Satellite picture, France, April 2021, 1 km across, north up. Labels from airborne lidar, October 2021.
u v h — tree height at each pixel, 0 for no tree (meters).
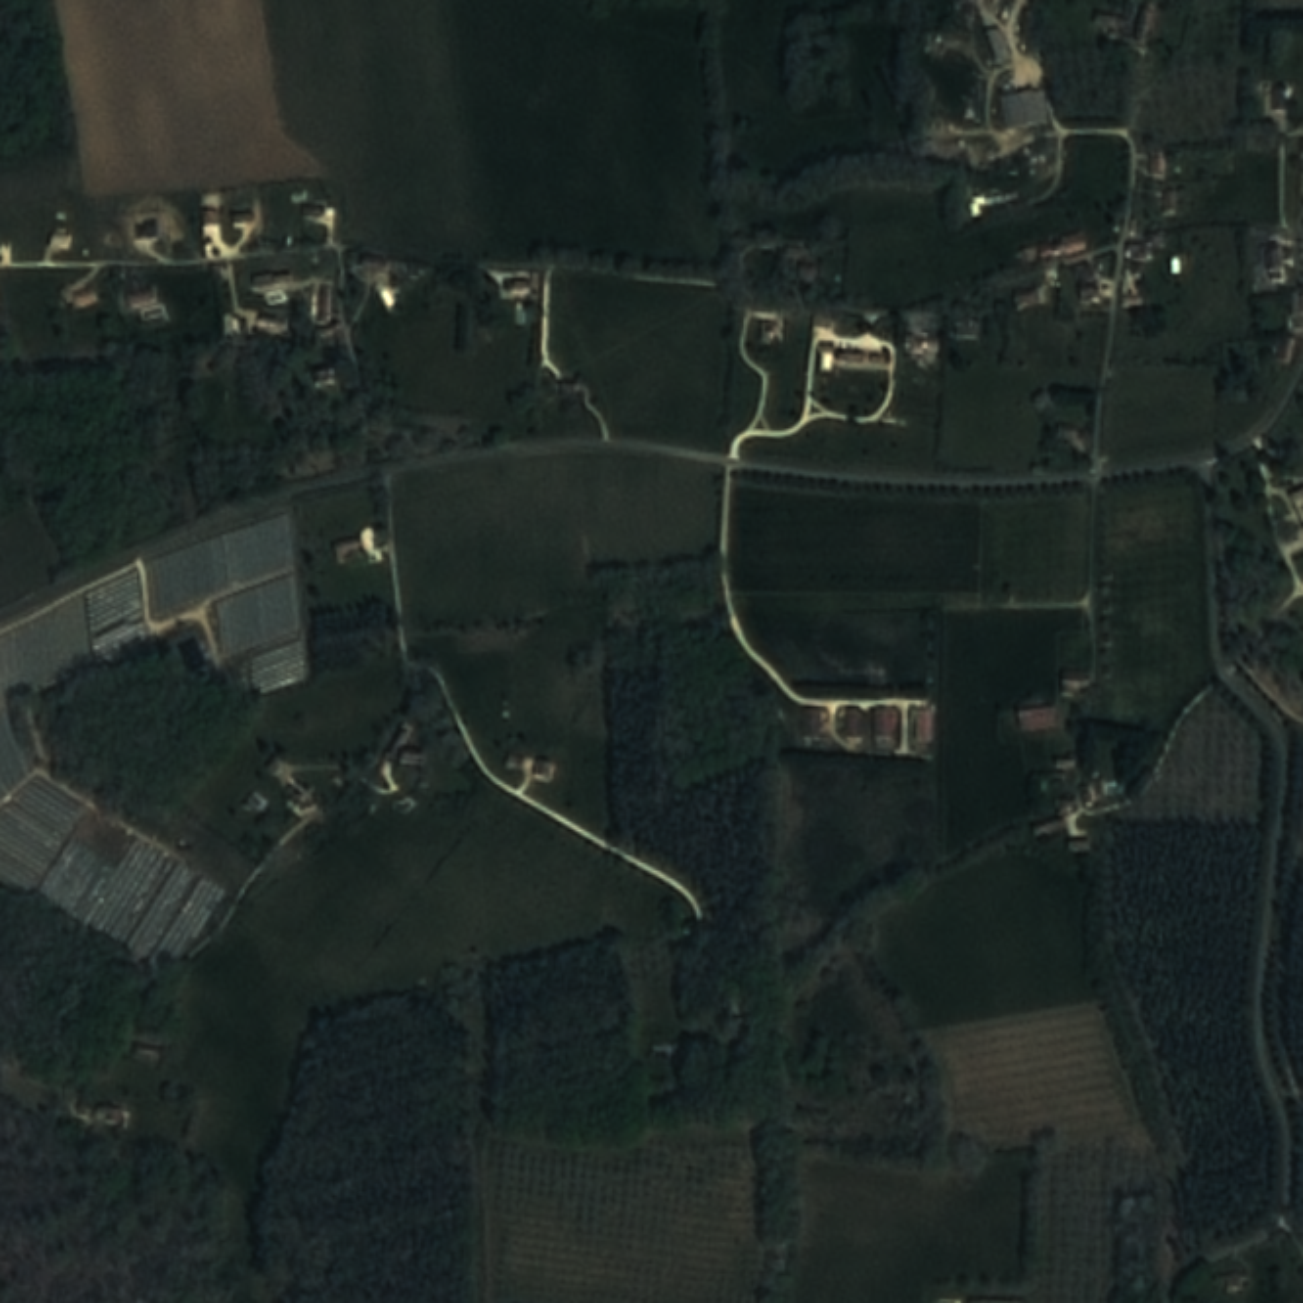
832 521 0
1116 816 15
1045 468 9
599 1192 6
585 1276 5
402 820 0
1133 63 8
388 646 16
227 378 6
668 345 0
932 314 9
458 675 0
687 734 18
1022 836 8
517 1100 20
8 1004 21
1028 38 16
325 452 20
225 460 12
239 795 0
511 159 0
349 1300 18
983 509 0
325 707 0
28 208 0
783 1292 13
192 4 0
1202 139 11
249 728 22
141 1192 22
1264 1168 18
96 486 27
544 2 0
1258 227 8
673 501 0
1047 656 0
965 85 0
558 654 0
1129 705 8
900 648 0
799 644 0
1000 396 0
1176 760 10
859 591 0
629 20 0
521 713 0
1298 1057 18
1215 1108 17
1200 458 0
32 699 19
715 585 19
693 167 0
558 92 0
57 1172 12
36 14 23
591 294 0
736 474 7
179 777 25
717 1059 22
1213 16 8
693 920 7
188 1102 17
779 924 10
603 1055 22
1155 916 17
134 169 0
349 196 0
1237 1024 17
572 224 0
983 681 0
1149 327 14
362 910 0
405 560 0
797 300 14
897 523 0
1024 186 0
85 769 18
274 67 0
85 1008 22
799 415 7
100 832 0
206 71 0
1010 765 0
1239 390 7
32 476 23
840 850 0
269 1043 0
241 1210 0
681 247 0
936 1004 0
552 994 21
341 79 0
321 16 0
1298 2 0
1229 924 19
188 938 0
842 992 8
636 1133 21
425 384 0
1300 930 18
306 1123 15
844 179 19
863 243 0
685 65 0
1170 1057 15
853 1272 0
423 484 0
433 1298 12
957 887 0
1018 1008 0
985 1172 15
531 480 0
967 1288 12
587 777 0
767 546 0
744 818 18
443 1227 18
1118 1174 8
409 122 0
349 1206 17
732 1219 0
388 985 0
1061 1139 13
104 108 0
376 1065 19
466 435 10
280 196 0
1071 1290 8
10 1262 7
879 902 20
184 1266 17
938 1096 19
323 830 10
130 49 0
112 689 26
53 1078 20
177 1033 18
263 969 0
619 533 0
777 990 22
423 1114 21
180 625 10
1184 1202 12
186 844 0
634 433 0
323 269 8
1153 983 18
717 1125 19
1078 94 17
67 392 30
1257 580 23
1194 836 18
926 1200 0
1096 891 6
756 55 0
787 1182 18
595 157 0
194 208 0
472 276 7
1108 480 6
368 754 12
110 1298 19
